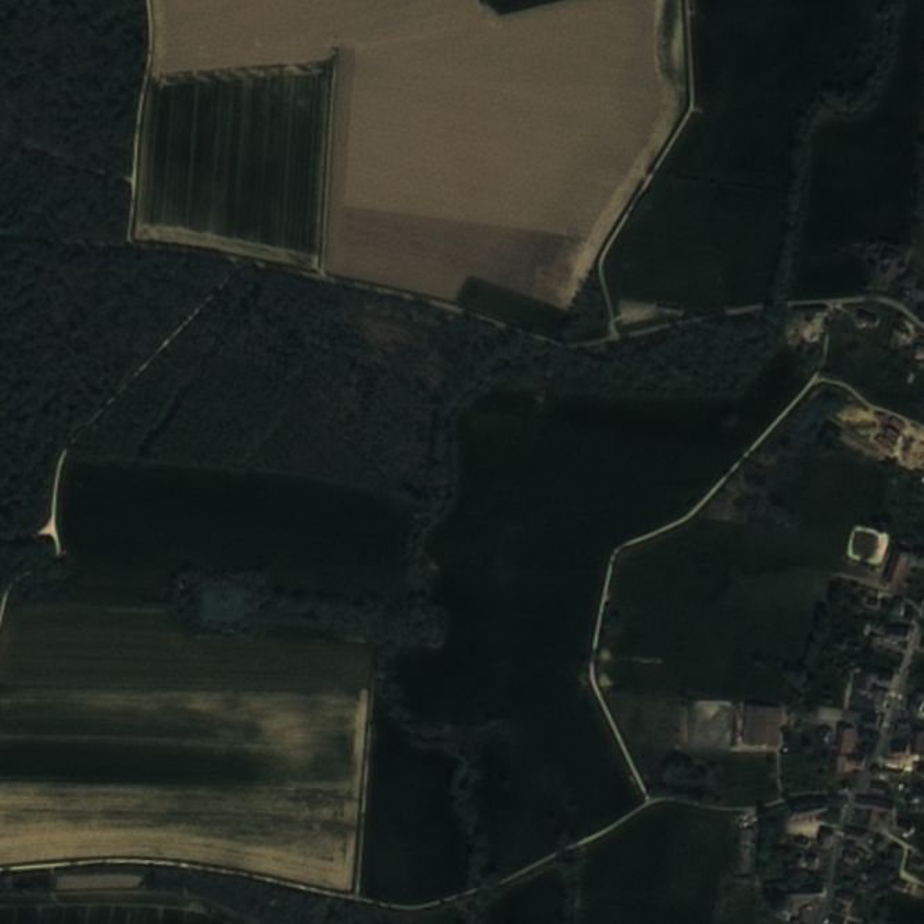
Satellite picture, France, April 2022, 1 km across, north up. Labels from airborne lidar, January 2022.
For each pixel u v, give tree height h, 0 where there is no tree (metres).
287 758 0
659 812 0
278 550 0
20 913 0
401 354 21
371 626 18
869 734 14
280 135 0
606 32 0
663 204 0
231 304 18
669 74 0
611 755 0
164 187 0
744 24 0
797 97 0
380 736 0
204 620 0
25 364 22
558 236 0
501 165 0
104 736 0
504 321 0
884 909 12
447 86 0
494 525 0
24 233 16
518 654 0
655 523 0
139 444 14
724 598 0
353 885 0
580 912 0
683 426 0
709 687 0
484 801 0
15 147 24
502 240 0
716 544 0
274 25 0
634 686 0
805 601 0
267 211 0
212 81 0
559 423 0
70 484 0
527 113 0
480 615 0
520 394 0
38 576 26
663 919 0
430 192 0
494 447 0
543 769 0
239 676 0
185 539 0
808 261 0
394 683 13
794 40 0
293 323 19
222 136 0
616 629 15
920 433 0
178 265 25
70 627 0
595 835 0
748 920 0
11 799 0
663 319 0
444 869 0
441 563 0
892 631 0
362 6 0
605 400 0
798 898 0
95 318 22
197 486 0
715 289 0
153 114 0
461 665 0
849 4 0
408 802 0
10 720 0
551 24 0
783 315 17
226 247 0
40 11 28
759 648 0
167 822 0
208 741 0
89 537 0
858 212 0
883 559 0
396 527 0
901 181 0
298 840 0
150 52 13
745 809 0
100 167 22
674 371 15
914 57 0
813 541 0
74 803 0
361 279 0
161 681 0
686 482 0
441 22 0
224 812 0
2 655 0
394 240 0
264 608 5
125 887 0
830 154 0
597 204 0
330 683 0
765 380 0
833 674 0
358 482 12
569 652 0
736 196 0
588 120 0
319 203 0
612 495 0
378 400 11
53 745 0
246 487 0
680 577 0
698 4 0
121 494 0
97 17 26
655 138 0
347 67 0
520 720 0
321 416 10
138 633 0
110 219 21
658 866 0
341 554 0
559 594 0
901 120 0
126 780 0
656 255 0
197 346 18
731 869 0
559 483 0
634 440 0
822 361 15
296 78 0
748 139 0
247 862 0
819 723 0
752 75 0
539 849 0
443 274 0
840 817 11
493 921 0
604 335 0
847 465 0
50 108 26
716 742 0
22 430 22
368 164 0
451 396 25
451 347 0
